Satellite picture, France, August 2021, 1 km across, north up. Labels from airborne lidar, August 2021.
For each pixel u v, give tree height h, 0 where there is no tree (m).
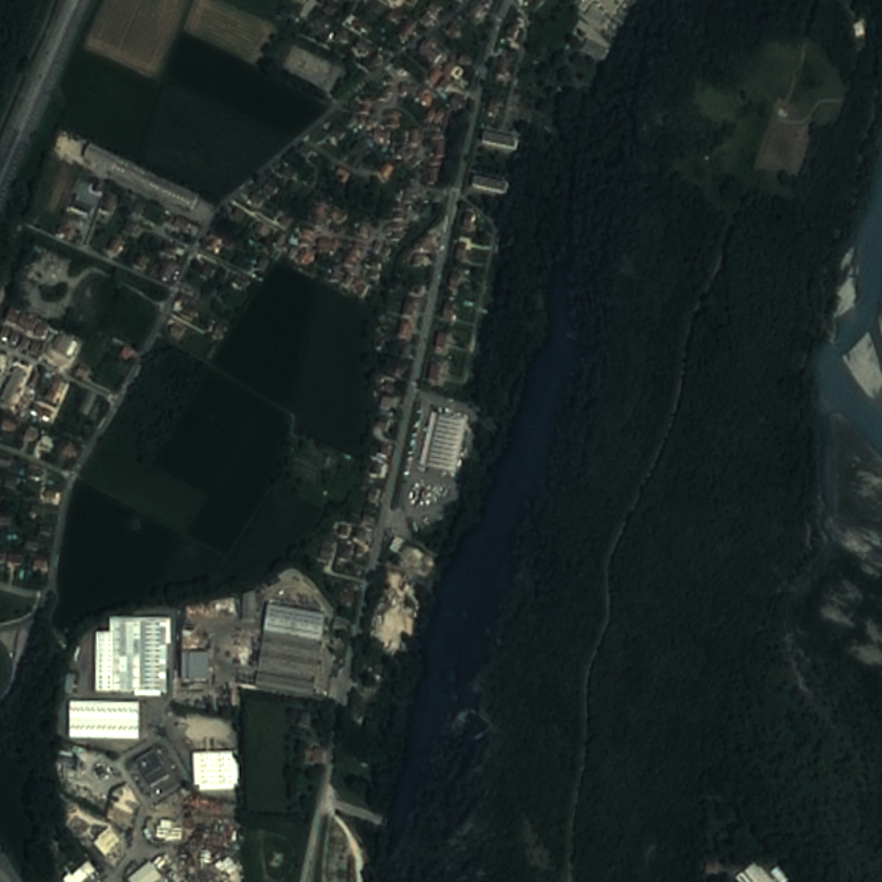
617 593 12
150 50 0
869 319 0
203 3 0
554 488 7
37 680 20
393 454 0
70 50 0
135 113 0
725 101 0
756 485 11
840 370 0
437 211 12
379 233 0
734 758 18
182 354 13
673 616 13
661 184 17
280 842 0
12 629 0
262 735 0
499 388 25
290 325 0
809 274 14
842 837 11
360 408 0
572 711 16
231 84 0
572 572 11
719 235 15
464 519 26
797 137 0
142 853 0
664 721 14
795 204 8
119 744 0
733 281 16
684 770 10
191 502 0
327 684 0
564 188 15
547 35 0
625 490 14
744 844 27
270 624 0
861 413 0
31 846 18
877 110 11
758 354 11
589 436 8
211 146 0
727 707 24
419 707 10
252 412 0
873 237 0
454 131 14
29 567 5
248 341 0
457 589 8
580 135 20
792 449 23
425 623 22
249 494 0
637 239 6
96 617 11
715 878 14
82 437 9
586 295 8
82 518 0
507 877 10
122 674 0
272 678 0
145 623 0
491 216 6
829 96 0
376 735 13
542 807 10
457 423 0
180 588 15
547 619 9
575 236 9
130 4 0
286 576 0
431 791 12
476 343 0
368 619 9
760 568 8
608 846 15
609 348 6
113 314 0
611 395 8
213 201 8
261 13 0
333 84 0
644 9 13
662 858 9
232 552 0
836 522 0
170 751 0
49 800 28
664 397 12
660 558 10
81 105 0
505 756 6
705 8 13
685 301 13
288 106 0
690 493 12
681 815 12
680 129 7
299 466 0
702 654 12
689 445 12
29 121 0
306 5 0
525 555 10
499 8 0
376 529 0
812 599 6
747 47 7
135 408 8
